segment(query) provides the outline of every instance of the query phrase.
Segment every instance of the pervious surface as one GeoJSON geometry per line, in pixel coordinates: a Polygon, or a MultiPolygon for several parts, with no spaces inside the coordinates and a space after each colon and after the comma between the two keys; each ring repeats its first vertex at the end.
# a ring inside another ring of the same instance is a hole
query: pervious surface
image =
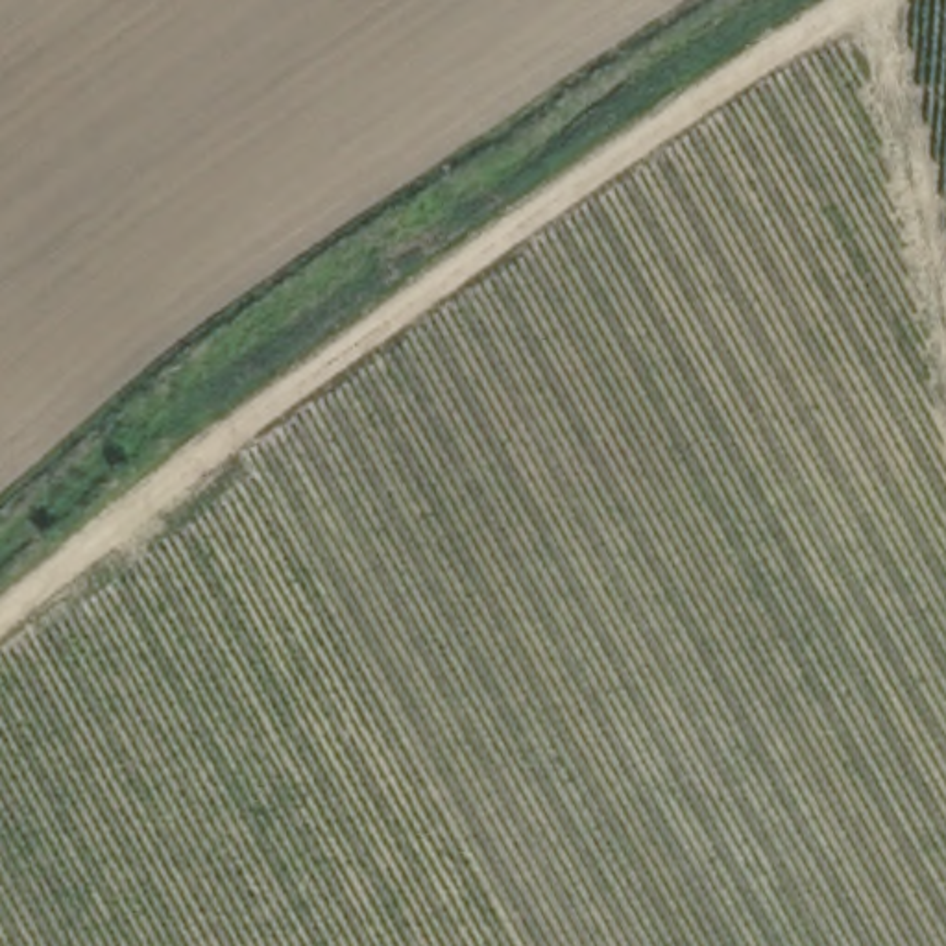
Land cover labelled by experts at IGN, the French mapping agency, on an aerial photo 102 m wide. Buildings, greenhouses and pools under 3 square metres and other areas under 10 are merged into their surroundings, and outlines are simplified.
{"type": "Polygon", "coordinates": [[[606,177],[621,174],[628,163],[654,152],[665,137],[691,126],[702,111],[724,103],[772,67],[831,41],[843,30],[854,33],[872,67],[868,81],[861,85],[861,100],[879,129],[883,159],[891,166],[887,188],[894,200],[894,218],[905,225],[905,288],[913,303],[931,318],[924,355],[946,384],[946,229],[942,196],[935,185],[939,174],[928,148],[928,126],[920,118],[920,85],[913,81],[913,52],[905,44],[909,0],[820,0],[794,22],[765,33],[732,63],[717,67],[698,85],[665,100],[654,115],[639,118],[610,144],[595,148],[588,159],[580,159],[573,170],[532,192],[525,203],[517,203],[495,225],[477,233],[440,266],[425,270],[403,292],[384,299],[377,310],[370,310],[318,355],[277,377],[270,388],[251,395],[203,436],[188,440],[166,466],[159,466],[152,477],[129,488],[129,495],[107,503],[48,562],[41,562],[26,580],[11,584],[0,595],[0,632],[7,632],[22,613],[41,606],[59,588],[67,588],[107,551],[122,551],[133,540],[148,540],[152,532],[159,532],[166,510],[185,503],[211,469],[218,469],[270,418],[285,414],[299,395],[336,377],[370,347],[384,344],[421,310],[429,310],[440,296],[455,292],[466,277],[495,262],[517,240],[569,211],[606,177]]]}

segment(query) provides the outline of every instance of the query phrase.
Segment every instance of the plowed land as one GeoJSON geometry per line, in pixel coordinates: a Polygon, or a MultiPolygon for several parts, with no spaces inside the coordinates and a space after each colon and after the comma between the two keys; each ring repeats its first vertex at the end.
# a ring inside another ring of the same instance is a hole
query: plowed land
{"type": "Polygon", "coordinates": [[[0,491],[15,484],[30,466],[37,466],[63,436],[70,436],[85,418],[92,418],[118,388],[126,388],[148,362],[155,362],[200,321],[240,299],[248,288],[277,273],[299,251],[351,222],[355,214],[362,214],[366,207],[381,203],[395,188],[432,170],[440,159],[503,126],[510,115],[540,100],[551,85],[591,63],[595,55],[617,48],[647,22],[665,18],[684,0],[0,0],[0,491]]]}

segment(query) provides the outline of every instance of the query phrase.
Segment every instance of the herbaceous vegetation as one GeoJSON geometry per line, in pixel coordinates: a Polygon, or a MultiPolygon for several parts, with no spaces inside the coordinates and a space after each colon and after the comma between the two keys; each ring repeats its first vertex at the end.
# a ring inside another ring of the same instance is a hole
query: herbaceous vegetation
{"type": "Polygon", "coordinates": [[[277,377],[318,355],[370,310],[377,310],[384,299],[403,292],[425,270],[440,266],[477,233],[495,225],[517,203],[525,203],[532,192],[573,170],[580,159],[588,159],[595,148],[610,144],[639,118],[654,115],[665,100],[698,85],[717,67],[732,63],[765,33],[794,22],[820,0],[684,0],[665,18],[647,22],[617,48],[595,55],[591,63],[551,85],[540,100],[510,115],[503,126],[440,159],[432,170],[395,188],[381,203],[366,207],[362,214],[355,214],[351,222],[299,251],[277,273],[248,288],[240,299],[200,321],[155,362],[148,362],[126,388],[118,388],[92,418],[85,418],[70,436],[63,436],[37,466],[30,466],[15,484],[0,491],[0,595],[11,584],[26,580],[41,562],[48,562],[107,503],[129,495],[129,488],[152,477],[159,466],[166,466],[188,440],[203,436],[251,395],[270,388],[277,377]]]}

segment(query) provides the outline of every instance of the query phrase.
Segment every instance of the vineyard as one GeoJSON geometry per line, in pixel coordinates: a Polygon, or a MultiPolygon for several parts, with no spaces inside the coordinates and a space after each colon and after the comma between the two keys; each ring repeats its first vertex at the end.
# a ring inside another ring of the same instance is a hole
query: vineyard
{"type": "Polygon", "coordinates": [[[495,262],[466,277],[455,292],[440,296],[429,310],[421,310],[384,344],[370,347],[336,377],[299,395],[285,414],[270,418],[218,469],[211,469],[185,503],[166,510],[159,532],[152,532],[148,540],[133,540],[122,551],[107,551],[67,588],[59,588],[41,606],[22,613],[7,632],[0,632],[0,946],[946,946],[946,384],[924,355],[931,318],[913,303],[905,288],[905,225],[894,218],[894,200],[887,188],[891,166],[883,159],[879,129],[861,100],[861,85],[868,81],[872,67],[854,33],[843,30],[831,41],[772,67],[724,103],[702,111],[691,126],[665,137],[654,152],[628,163],[621,174],[606,177],[569,211],[517,240],[495,262]]]}
{"type": "Polygon", "coordinates": [[[942,196],[946,229],[946,0],[909,0],[905,44],[913,52],[913,81],[920,85],[920,118],[928,126],[928,148],[939,174],[935,185],[942,196]]]}

